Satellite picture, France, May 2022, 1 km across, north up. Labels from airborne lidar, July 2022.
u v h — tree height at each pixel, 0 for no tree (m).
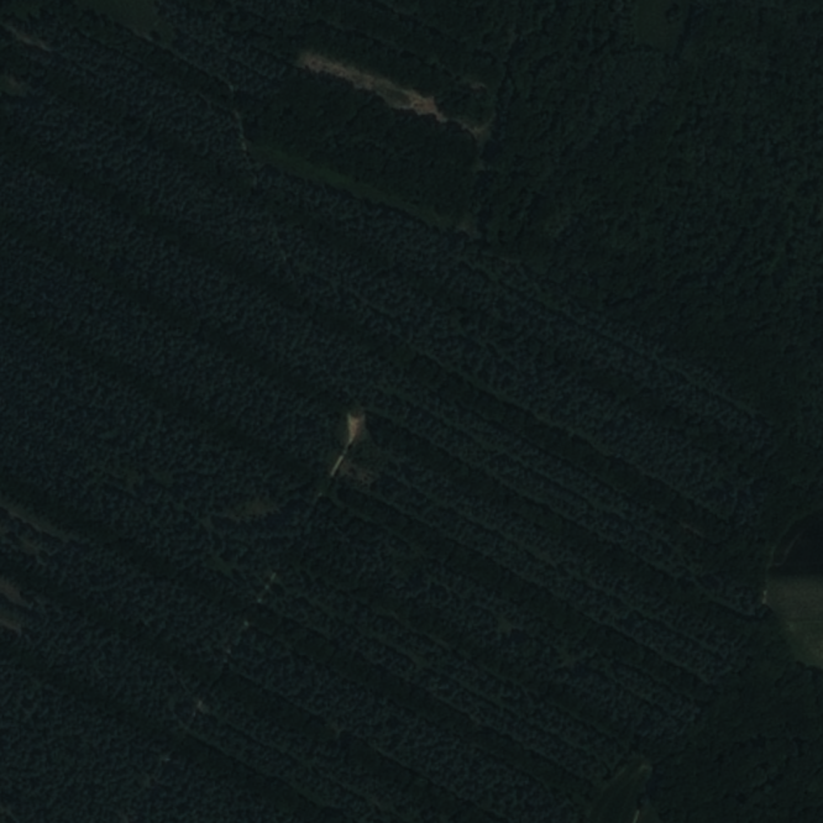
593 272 20
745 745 30
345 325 27
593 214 18
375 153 27
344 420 15
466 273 33
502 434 35
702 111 25
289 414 36
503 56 29
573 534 25
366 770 26
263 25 27
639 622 26
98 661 30
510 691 22
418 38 33
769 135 25
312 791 30
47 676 24
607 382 29
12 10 24
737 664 28
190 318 24
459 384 26
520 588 21
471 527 25
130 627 29
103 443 30
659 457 30
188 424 31
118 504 29
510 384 34
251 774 21
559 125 23
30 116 30
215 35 33
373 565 30
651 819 0
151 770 36
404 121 27
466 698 32
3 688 30
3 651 24
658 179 26
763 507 30
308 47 29
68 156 32
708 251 23
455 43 28
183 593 34
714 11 26
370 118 25
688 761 31
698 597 25
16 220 21
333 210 23
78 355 26
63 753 32
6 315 25
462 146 32
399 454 37
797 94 27
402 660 31
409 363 23
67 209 32
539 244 25
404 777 27
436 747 30
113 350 33
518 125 31
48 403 34
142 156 32
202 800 37
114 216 37
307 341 33
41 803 28
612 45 25
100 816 32
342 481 8
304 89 28
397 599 24
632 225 24
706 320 33
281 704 29
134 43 25
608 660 32
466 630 23
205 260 24
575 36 15
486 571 24
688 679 26
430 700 27
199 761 31
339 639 24
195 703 27
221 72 30
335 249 25
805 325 29
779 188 30
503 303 33
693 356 28
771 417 32
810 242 25
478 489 24
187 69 23
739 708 31
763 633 30
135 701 30
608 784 14
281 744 30
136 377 26
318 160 29
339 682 24
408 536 23
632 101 14
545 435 24
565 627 26
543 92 28
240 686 30
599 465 24
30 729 34
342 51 30
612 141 25
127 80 36
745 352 35
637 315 26
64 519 28
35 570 30
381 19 32
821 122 29
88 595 32
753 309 30
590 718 27
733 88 29
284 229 31
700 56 22
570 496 25
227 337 29
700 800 30
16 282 29
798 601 0
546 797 25
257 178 26
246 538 30
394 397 0
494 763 26
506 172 30
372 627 20
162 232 29
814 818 32
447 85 25
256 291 33
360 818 30
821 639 0
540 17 20
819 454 30
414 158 27
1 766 30
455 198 32
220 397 29
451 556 26
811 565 0
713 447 27
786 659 30
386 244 32
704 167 28
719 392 35
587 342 29
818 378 27
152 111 31
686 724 28
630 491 22
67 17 27
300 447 35
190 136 29
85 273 27
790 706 33
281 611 30
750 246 20
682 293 27
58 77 27
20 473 31
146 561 29
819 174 19
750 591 29
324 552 28
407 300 34
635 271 20
